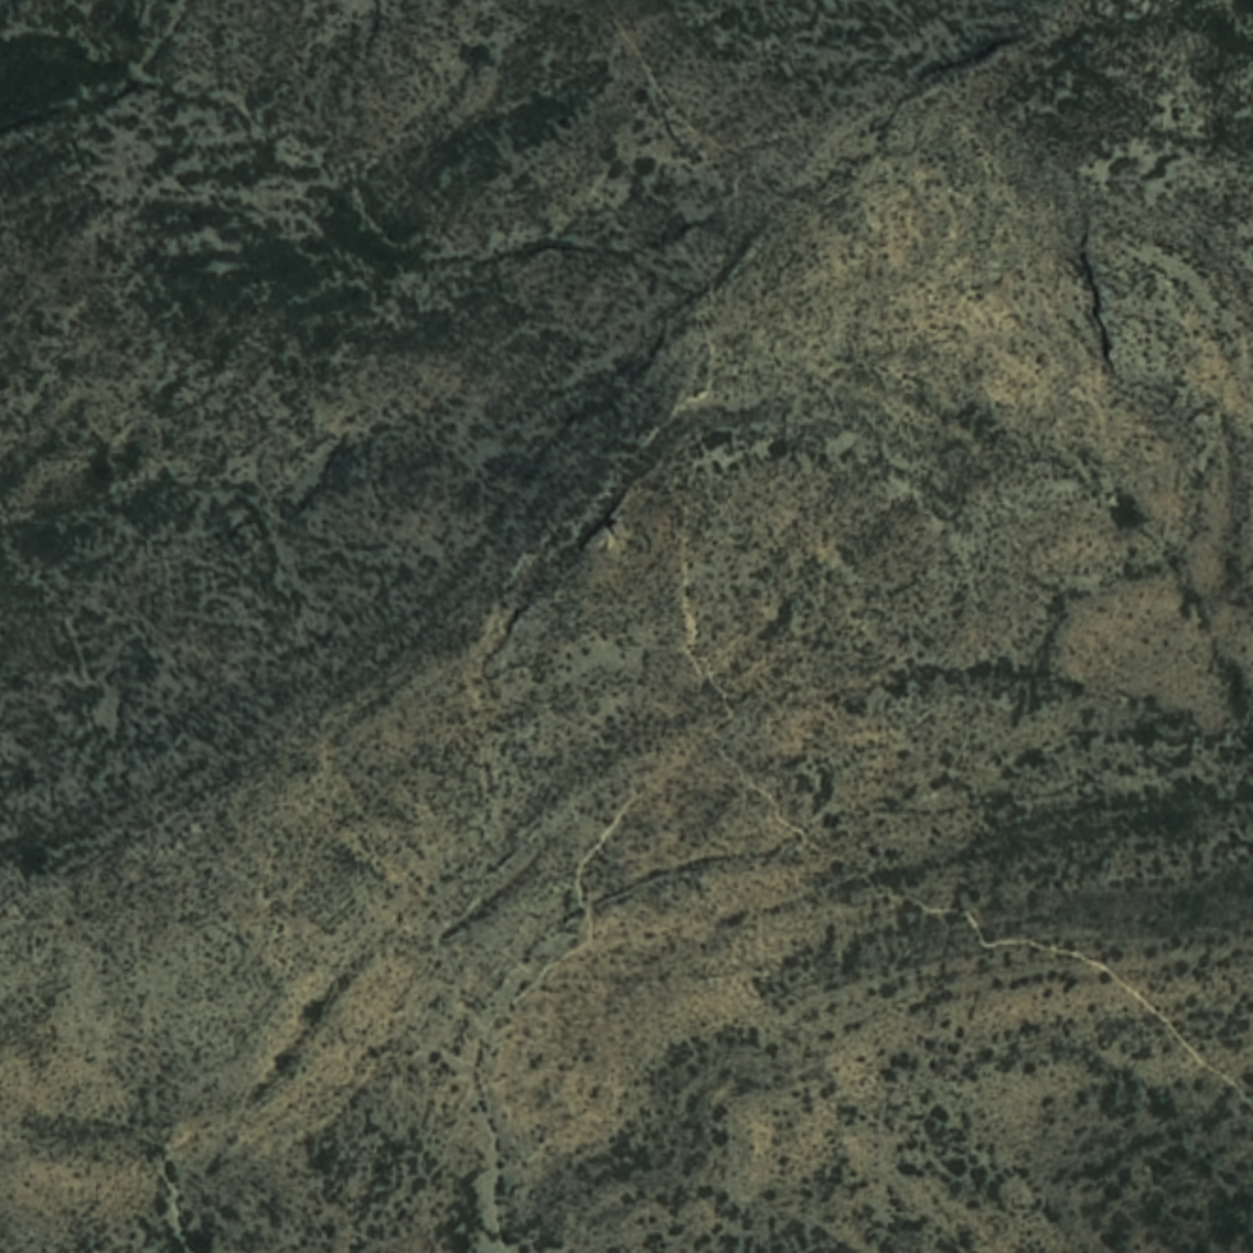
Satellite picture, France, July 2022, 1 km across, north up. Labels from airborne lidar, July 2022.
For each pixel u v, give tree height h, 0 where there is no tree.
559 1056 0
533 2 0
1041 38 0
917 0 0
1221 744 0
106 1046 0
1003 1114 0
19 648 0
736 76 0
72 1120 0
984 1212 0
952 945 0
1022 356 0
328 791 0
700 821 0
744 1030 0
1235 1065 0
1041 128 0
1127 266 0
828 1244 0
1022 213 0
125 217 0
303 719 0
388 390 0
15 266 0
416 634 0
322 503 0
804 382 0
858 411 0
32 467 0
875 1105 0
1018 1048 0
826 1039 0
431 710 0
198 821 0
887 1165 0
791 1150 0
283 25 0
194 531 0
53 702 0
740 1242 0
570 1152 0
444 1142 0
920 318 0
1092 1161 0
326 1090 0
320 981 0
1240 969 0
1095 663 0
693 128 0
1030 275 0
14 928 0
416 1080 0
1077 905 0
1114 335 0
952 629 0
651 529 0
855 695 0
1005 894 0
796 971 0
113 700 0
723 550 0
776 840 0
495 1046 0
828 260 0
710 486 0
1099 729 0
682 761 0
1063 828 0
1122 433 0
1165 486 0
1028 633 0
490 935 0
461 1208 0
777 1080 0
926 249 0
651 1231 0
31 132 0
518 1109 0
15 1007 0
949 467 0
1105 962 0
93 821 0
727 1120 0
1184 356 0
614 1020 0
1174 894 0
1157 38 0
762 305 0
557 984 0
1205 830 0
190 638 0
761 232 0
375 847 0
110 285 0
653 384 0
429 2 0
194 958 0
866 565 0
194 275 0
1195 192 0
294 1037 0
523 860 0
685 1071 0
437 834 0
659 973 0
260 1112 0
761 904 0
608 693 0
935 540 0
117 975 0
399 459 0
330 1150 0
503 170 0
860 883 0
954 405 0
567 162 0
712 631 0
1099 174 0
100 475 8
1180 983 0
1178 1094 0
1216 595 0
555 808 0
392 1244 0
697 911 0
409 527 0
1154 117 0
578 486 0
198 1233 0
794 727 0
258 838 0
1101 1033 0
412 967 0
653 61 0
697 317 0
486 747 0
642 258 0
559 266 0
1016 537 0
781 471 0
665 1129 0
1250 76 0
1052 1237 0
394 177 0
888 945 0
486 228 0
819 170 0
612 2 0
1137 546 0
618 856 0
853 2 0
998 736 0
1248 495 0
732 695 0
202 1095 0
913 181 0
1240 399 0
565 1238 0
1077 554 0
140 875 0
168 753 0
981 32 0
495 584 0
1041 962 0
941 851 0
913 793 0
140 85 12
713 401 0
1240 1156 0
